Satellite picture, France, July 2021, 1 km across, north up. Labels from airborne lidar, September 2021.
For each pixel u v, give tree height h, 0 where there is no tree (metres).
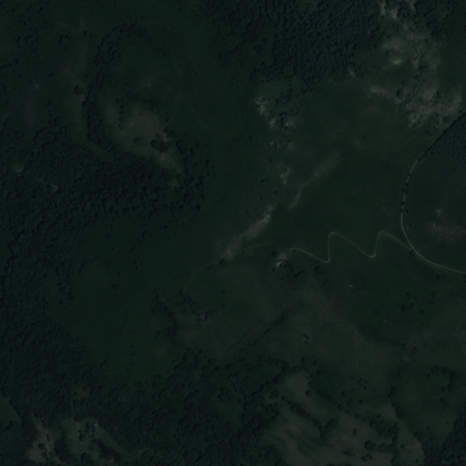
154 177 21
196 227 0
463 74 0
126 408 11
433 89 0
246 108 0
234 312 0
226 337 0
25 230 21
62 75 0
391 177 0
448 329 0
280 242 0
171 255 0
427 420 0
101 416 18
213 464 20
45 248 8
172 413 8
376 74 0
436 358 0
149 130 0
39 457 0
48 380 11
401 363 0
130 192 28
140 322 0
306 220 0
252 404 18
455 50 0
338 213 0
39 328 11
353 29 15
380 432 14
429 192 0
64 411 13
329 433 14
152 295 0
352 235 0
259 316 0
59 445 11
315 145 0
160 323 0
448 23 7
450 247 0
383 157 0
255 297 0
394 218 0
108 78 9
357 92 0
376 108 0
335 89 0
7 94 7
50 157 18
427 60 0
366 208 0
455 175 0
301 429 0
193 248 0
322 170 0
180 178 11
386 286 0
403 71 0
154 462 17
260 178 0
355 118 0
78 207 22
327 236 0
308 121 0
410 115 0
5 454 22
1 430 16
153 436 18
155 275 0
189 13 0
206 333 0
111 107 0
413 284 0
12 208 28
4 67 9
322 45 19
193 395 21
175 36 0
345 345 0
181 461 18
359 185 0
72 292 6
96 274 0
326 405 0
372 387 0
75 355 11
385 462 0
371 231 0
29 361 13
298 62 17
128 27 9
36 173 22
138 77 0
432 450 15
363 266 0
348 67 13
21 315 8
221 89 0
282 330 0
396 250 0
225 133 0
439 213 0
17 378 13
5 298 15
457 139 14
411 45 0
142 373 0
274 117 5
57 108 8
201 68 0
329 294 0
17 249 25
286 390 0
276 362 8
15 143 8
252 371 14
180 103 0
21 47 8
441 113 0
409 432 0
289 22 21
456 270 0
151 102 12
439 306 0
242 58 6
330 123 0
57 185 26
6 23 0
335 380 0
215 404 0
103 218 9
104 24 0
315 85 10
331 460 0
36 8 6
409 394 0
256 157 0
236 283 0
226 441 16
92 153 10
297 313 0
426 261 0
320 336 0
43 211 14
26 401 18
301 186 0
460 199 0
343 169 0
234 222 0
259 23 15
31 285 14
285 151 0
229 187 0
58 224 11
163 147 22
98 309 0
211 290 0
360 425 0
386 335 0
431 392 0
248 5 25
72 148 19
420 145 0
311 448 0
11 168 17
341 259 0
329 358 0
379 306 0
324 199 0
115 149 15
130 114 0
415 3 0
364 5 14
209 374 17
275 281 0
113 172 18
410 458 0
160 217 7
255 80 7
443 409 0
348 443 0
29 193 20
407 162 0
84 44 0
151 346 0
